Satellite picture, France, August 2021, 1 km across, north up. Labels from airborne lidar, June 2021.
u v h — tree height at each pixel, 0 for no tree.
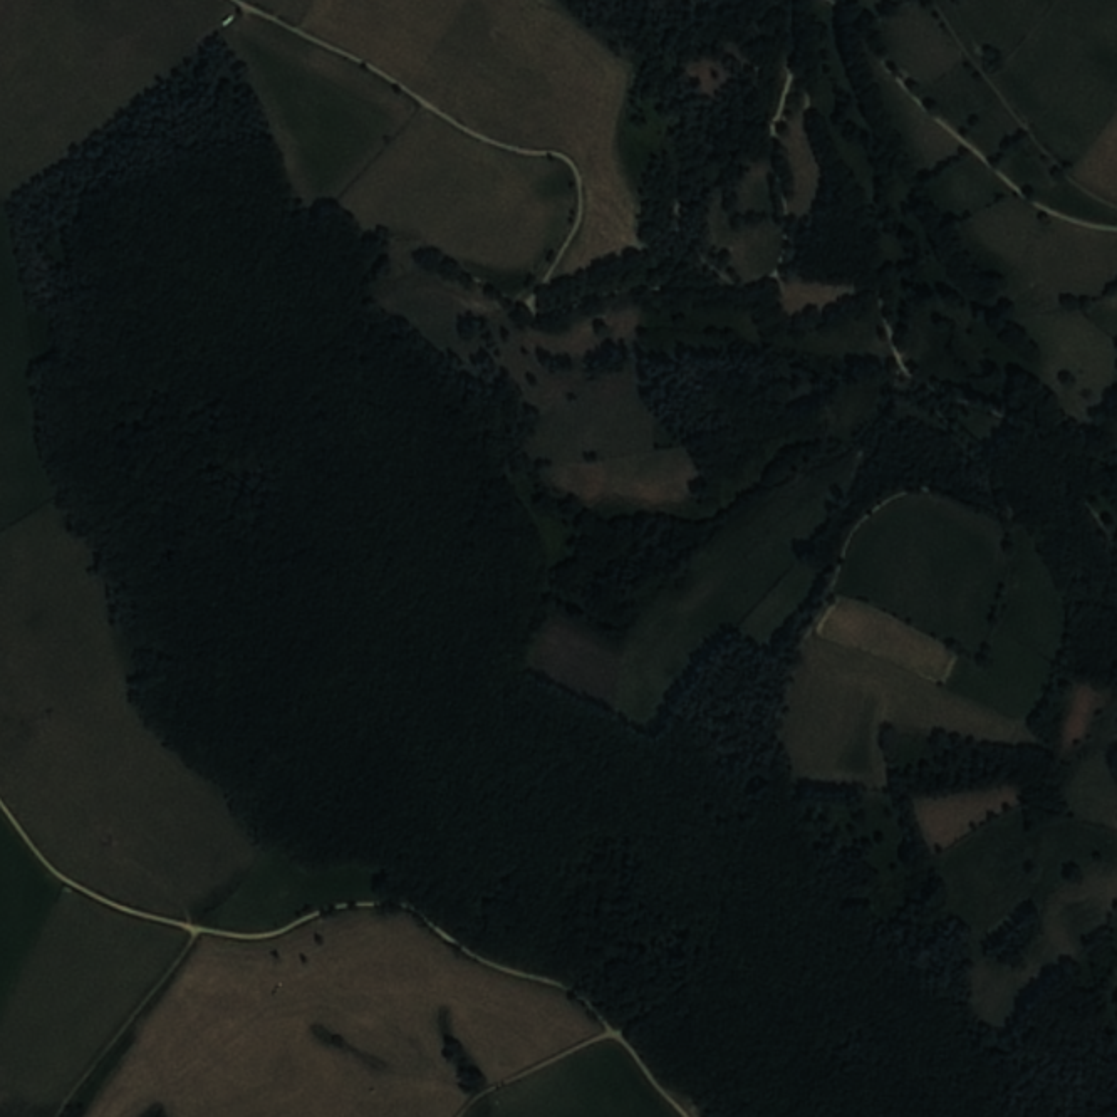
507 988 0
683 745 19
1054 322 0
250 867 0
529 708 18
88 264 15
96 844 0
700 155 13
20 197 7
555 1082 0
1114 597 15
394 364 19
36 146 0
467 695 20
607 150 0
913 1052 21
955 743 14
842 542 7
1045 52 0
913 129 0
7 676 0
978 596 0
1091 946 16
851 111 7
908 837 11
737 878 20
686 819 18
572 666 0
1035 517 18
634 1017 10
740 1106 17
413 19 0
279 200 15
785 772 17
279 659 17
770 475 14
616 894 10
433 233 0
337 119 0
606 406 0
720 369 21
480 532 19
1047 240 0
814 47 24
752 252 0
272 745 18
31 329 0
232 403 16
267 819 17
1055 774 18
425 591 16
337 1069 0
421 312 0
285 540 15
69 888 0
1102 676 19
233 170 19
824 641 0
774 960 21
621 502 0
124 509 15
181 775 0
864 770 0
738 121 15
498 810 16
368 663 18
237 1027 0
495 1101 0
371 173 0
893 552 0
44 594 0
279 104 0
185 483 18
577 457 0
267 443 13
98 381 18
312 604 19
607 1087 0
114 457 21
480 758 19
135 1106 0
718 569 0
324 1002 0
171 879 0
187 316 17
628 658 0
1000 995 0
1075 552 19
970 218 8
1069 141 0
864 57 19
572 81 0
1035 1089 21
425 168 0
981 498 11
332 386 17
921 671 0
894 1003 21
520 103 0
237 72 14
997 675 0
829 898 20
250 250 19
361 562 19
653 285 16
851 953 21
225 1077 0
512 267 0
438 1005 0
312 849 20
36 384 8
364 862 19
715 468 19
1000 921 0
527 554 23
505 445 21
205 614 17
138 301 15
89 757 0
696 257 14
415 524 16
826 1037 17
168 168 17
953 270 27
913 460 6
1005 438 15
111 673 0
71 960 0
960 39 0
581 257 0
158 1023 0
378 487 18
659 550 18
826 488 0
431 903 15
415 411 20
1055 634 0
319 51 0
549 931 18
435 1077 0
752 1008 19
